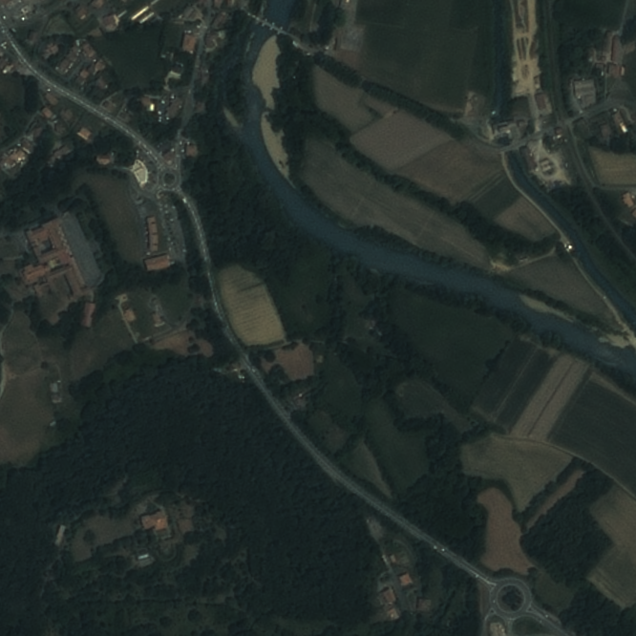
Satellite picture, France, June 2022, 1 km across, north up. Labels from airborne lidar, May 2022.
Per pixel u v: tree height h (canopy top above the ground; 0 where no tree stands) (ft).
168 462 59
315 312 0
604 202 43
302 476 81
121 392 79
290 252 35
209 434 78
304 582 70
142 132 37
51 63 36
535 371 0
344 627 30
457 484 67
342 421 58
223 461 72
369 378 67
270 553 77
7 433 0
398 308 0
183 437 66
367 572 52
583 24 0
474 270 26
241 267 0
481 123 0
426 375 77
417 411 0
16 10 0
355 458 0
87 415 72
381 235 41
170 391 76
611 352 0
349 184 0
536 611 0
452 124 88
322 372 25
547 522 22
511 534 0
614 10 0
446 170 0
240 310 0
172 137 39
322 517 74
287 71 47
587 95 0
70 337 56
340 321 59
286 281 43
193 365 49
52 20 0
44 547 64
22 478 83
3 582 62
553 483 36
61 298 0
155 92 26
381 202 0
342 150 66
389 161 0
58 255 0
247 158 33
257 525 81
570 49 31
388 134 0
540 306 0
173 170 0
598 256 0
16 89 0
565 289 0
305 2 58
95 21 0
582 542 32
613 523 0
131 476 60
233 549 67
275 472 77
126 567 52
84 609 59
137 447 67
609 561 0
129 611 18
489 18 0
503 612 0
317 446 43
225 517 45
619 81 0
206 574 51
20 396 0
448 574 84
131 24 23
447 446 70
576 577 25
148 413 77
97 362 0
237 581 43
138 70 0
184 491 56
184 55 25
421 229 0
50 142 72
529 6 0
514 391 0
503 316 80
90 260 0
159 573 41
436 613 57
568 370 0
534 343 0
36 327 35
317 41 52
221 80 58
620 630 61
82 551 0
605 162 0
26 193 47
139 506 0
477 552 79
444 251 0
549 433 0
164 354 0
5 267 0
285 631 38
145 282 57
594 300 0
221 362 29
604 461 0
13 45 0
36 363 0
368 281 71
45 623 53
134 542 52
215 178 66
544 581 0
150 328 0
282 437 86
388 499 27
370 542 31
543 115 0
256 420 96
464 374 0
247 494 79
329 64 99
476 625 37
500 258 0
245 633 53
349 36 0
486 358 0
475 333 0
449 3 0
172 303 0
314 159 0
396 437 0
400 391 0
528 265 0
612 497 0
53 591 32
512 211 0
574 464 34
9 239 28
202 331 38
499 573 30
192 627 0
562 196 42
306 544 81
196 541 32
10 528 70
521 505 0
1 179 0
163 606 39
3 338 0
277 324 0
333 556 93
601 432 0
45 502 78
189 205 0
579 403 0
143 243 0
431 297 49
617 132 19
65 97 0
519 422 0
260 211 53
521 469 0
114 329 0
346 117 0
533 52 0
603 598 40
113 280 86
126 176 35
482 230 53
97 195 0
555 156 0
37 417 0
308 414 29
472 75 0
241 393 77
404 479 0
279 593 57
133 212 0
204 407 71
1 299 41
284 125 31
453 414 0
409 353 59
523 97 23
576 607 25
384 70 0
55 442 0
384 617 0
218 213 26
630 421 0
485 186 0
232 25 43
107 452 80
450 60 0
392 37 0
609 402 0
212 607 30
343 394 0
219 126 70
